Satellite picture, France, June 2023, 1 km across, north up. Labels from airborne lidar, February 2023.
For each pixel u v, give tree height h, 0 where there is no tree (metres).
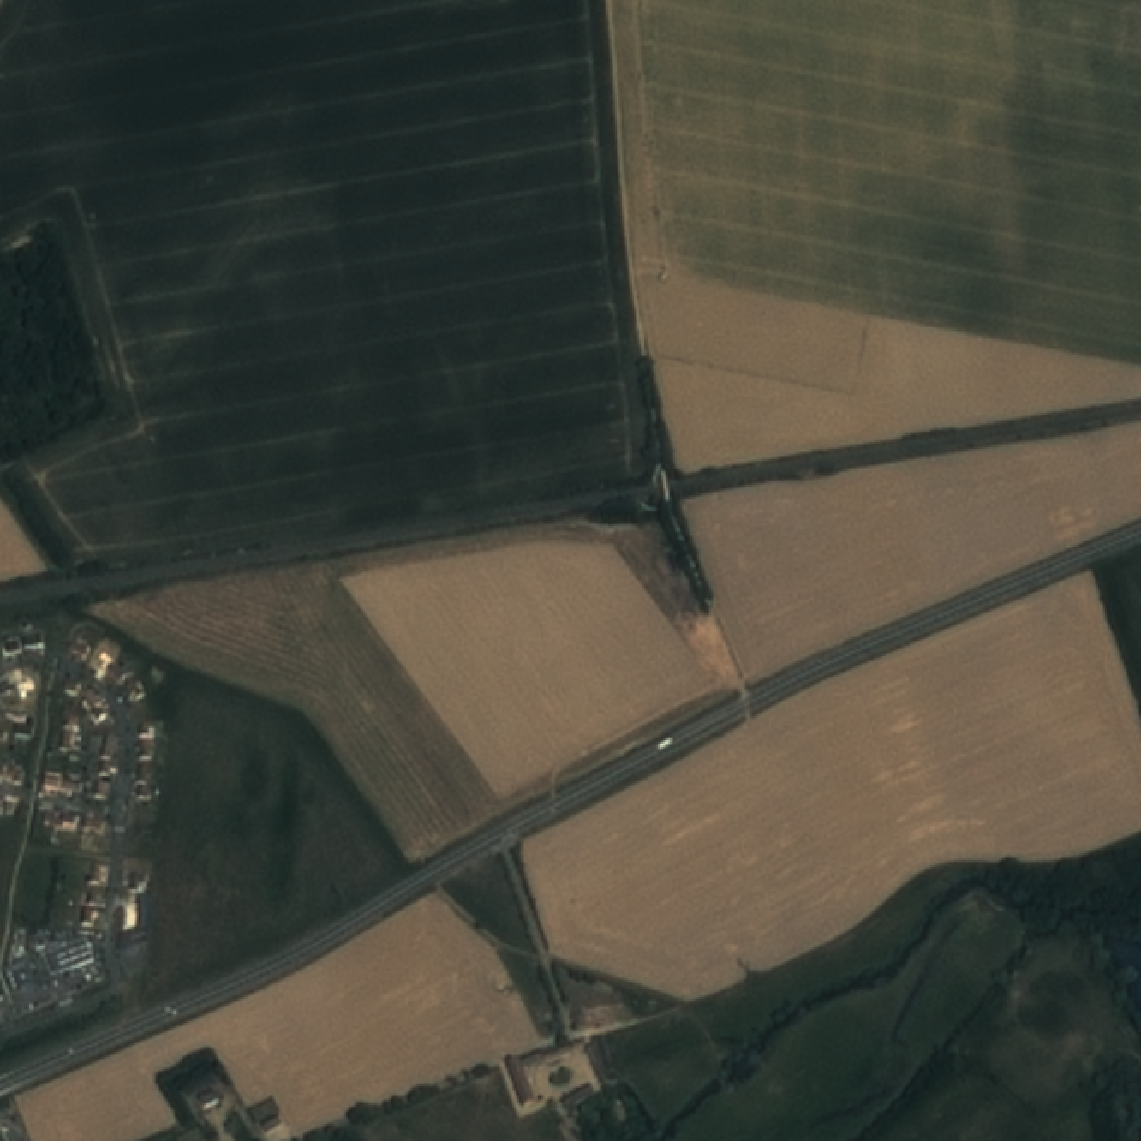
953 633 0
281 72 0
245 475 0
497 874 0
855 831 0
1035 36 0
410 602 0
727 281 0
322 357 0
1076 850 0
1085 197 0
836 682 0
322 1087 0
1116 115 0
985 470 0
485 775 0
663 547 0
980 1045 0
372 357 0
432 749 0
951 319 0
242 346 0
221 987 0
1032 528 0
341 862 0
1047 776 0
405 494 0
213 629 0
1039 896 12
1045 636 0
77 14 0
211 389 0
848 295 0
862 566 0
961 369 0
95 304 0
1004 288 0
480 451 0
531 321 0
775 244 0
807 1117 0
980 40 0
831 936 0
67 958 0
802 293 0
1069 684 0
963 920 0
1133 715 0
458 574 0
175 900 0
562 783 0
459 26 0
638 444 0
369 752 0
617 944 0
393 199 0
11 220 0
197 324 0
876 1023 0
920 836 0
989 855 0
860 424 0
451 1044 0
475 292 0
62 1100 0
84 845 0
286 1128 0
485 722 0
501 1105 0
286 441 0
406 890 0
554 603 0
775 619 0
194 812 0
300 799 0
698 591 8
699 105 0
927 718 0
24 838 0
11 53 0
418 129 0
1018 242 0
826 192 0
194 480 0
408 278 0
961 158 0
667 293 0
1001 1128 0
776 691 0
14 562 0
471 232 0
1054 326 0
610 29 0
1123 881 7
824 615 0
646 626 0
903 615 0
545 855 0
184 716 0
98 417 7
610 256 0
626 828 0
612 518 11
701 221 0
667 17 0
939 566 0
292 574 0
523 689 0
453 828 0
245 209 0
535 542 0
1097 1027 0
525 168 0
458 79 0
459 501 0
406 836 0
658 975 0
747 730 0
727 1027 0
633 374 0
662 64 0
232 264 0
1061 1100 0
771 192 0
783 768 0
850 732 0
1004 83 0
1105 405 0
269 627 0
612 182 0
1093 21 0
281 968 0
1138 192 0
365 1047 0
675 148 0
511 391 0
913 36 0
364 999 0
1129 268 0
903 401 0
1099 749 0
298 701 0
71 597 6
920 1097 14
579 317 0
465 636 0
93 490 0
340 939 0
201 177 0
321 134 0
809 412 0
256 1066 0
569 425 0
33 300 17
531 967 0
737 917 0
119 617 0
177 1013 0
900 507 0
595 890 0
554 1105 8
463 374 0
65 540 0
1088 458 0
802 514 0
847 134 0
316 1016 0
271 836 0
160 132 0
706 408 0
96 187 0
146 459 0
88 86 0
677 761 0
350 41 0
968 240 0
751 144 0
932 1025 0
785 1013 11
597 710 0
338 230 0
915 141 0
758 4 0
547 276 0
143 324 0
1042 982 0
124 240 0
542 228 0
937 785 0
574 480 0
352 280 0
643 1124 9
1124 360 0
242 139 0
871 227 0
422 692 0
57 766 0
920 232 0
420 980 0
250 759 0
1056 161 0
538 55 0
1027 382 0
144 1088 0
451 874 0
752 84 0
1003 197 0
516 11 0
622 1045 0
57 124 0
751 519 0
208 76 0
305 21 0
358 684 0
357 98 0
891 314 0
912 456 0
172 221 0
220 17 0
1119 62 0
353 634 0
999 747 0
